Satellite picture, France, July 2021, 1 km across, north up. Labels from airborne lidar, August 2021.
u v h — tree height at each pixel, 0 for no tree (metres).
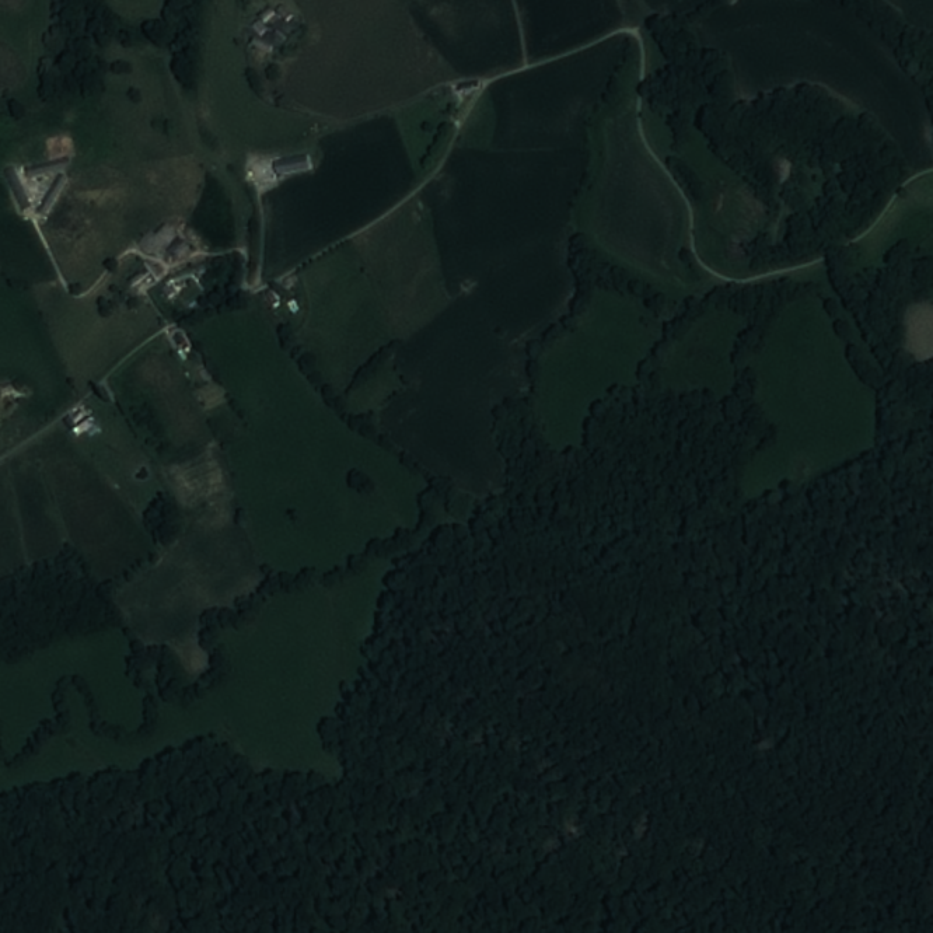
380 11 0
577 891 32
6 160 0
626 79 0
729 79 26
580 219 0
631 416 14
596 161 0
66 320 0
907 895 24
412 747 25
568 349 0
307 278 0
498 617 18
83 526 0
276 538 0
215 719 0
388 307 0
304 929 29
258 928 28
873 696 26
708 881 27
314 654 0
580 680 19
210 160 0
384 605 15
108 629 8
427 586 19
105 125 0
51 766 0
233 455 0
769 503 17
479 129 0
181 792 28
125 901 30
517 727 26
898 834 9
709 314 23
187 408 0
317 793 15
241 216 0
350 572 12
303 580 15
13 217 0
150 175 0
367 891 26
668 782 22
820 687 25
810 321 0
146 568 19
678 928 27
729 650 31
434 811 28
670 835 24
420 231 0
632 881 25
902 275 21
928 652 24
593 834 26
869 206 16
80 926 30
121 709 0
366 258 0
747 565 24
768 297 12
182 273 6
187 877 30
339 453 0
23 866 25
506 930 27
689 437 24
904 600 23
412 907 18
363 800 21
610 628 24
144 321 0
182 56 19
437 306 0
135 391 0
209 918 26
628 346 0
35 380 0
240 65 0
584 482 18
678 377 0
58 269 0
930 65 14
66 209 0
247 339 0
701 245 0
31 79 0
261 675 0
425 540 7
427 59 0
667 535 28
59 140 0
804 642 27
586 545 26
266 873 28
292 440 0
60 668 0
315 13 0
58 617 7
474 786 24
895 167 19
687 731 19
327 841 19
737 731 29
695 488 11
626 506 19
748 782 22
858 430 0
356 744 20
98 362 0
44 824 24
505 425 9
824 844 20
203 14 10
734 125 27
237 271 9
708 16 12
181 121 0
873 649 25
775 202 9
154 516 17
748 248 20
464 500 24
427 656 22
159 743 0
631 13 0
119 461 0
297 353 17
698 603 27
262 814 28
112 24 33
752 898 25
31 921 27
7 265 0
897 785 19
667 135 0
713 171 0
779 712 27
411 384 10
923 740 12
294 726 0
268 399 0
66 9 23
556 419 0
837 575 24
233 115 0
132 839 29
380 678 25
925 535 18
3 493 0
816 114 25
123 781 25
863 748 21
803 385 0
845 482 27
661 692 22
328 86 0
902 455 26
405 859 29
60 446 0
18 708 0
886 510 25
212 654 16
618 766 15
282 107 13
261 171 0
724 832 29
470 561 23
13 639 16
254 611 22
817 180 12
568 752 21
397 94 0
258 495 0
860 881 23
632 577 22
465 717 26
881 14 13
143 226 0
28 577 13
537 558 26
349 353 0
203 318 19
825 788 20
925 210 0
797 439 0
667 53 20
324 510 0
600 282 10
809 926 31
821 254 17
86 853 26
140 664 26
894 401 23
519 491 21
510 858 20
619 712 18
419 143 0
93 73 16
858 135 30
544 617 23
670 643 23
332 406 13
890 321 24
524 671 26
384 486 0
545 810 25
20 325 0
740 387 9
